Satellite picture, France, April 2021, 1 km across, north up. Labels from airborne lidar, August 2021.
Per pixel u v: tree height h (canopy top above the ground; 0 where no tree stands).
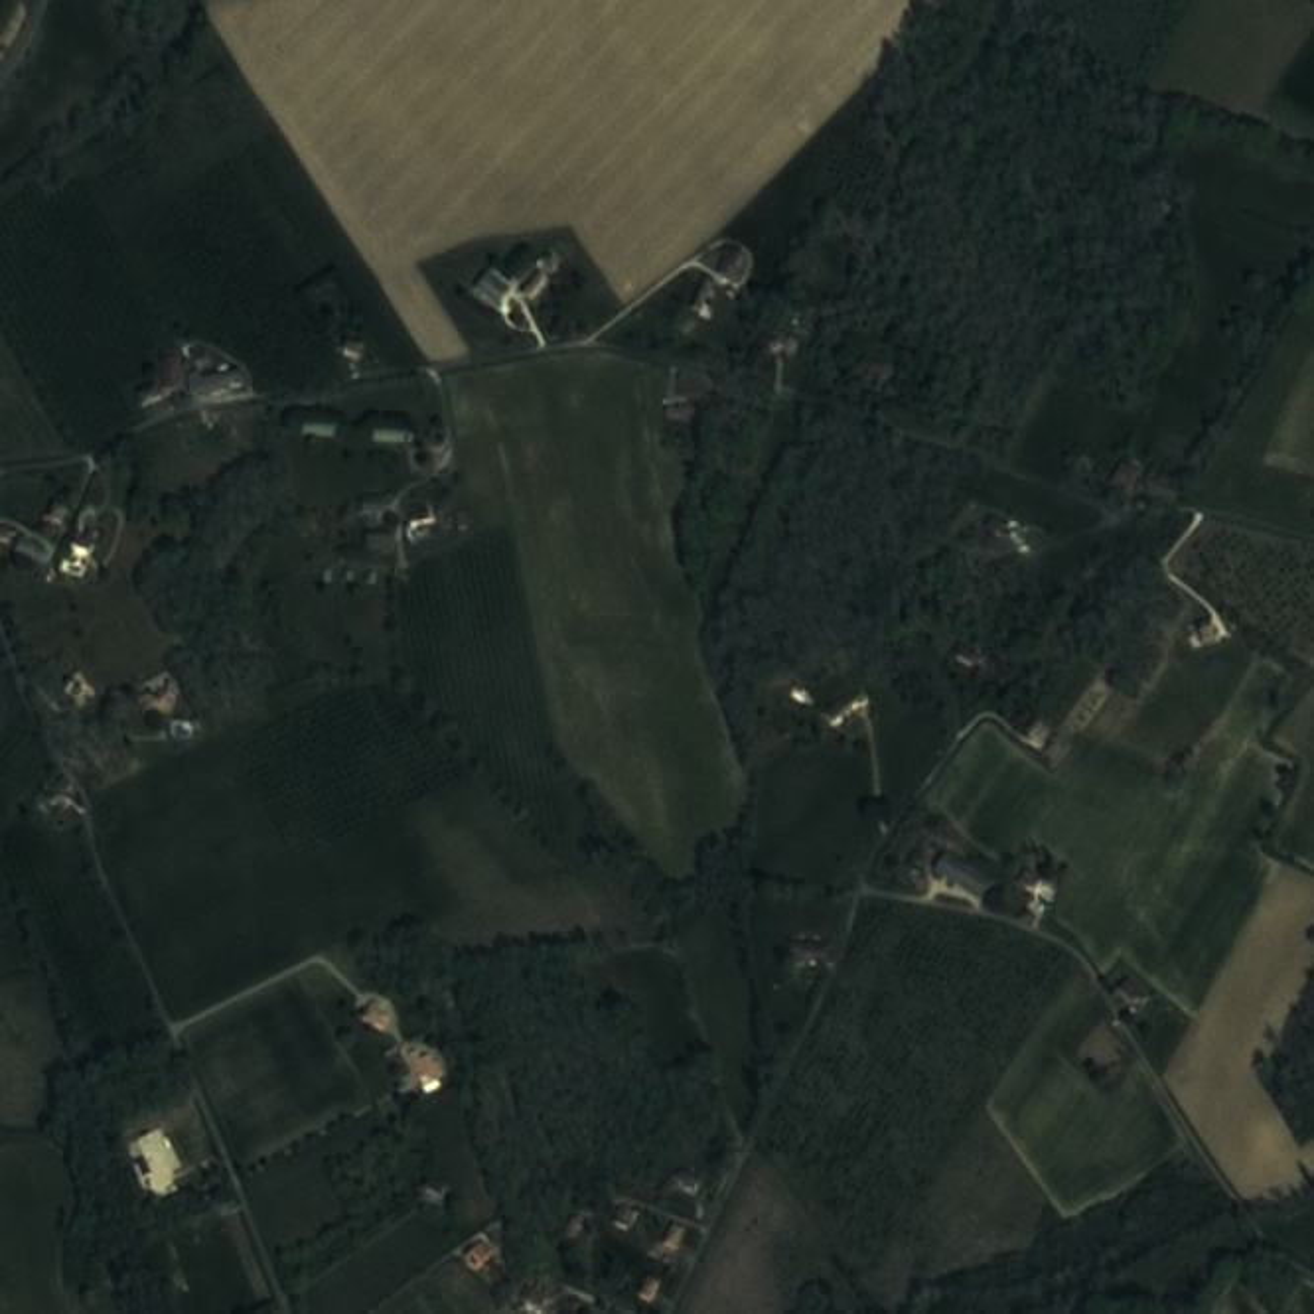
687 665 0
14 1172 0
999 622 11
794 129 0
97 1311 0
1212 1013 0
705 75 0
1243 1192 0
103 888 9
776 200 0
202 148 0
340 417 8
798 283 19
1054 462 0
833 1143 6
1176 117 22
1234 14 0
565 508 0
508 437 0
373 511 0
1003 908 13
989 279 15
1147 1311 28
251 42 0
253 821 0
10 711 8
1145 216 24
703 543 22
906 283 6
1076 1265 12
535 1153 19
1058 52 26
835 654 20
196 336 8
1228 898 0
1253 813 0
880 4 0
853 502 19
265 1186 0
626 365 0
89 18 0
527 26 0
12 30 0
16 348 6
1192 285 20
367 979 13
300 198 0
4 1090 0
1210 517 0
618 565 0
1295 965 0
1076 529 0
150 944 0
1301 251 0
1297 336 0
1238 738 0
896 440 18
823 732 14
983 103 21
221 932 0
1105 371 22
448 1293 0
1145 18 8
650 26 0
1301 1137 8
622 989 0
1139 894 0
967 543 15
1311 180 0
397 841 0
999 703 6
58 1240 0
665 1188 14
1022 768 0
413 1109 17
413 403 0
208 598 23
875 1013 6
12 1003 0
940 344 9
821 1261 0
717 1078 17
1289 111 0
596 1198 13
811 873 0
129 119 12
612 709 0
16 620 10
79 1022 7
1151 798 0
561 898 0
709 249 8
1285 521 0
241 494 16
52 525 8
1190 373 0
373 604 0
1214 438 14
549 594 0
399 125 0
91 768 17
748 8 0
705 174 0
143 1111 23
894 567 14
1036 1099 0
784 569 20
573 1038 24
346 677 8
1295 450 0
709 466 20
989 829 0
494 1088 14
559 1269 6
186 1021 0
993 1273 8
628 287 0
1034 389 12
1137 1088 0
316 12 0
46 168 19
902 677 13
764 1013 16
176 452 0
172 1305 20
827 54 0
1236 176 0
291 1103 0
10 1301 0
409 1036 0
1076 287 14
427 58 0
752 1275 0
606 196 0
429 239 0
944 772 0
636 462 0
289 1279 7
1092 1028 0
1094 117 24
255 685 19
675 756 0
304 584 0
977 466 13
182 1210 12
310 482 0
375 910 0
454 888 0
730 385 19
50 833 0
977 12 24
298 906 0
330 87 0
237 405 0
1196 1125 0
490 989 23
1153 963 0
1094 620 21
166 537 0
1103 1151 0
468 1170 0
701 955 0
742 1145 19
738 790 0
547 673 0
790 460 15
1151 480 9
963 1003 6
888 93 20
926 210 15
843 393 9
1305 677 15
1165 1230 12
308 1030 0
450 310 0
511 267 11
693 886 14
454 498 11
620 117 0
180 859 0
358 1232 6
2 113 14
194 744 0
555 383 0
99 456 7
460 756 21
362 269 0
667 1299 0
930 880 0
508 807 14
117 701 11
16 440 0
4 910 7
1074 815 0
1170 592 12
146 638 0
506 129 0
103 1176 17
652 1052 25
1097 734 0
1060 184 27
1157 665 15
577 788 6
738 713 23
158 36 25
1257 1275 21
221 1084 0
